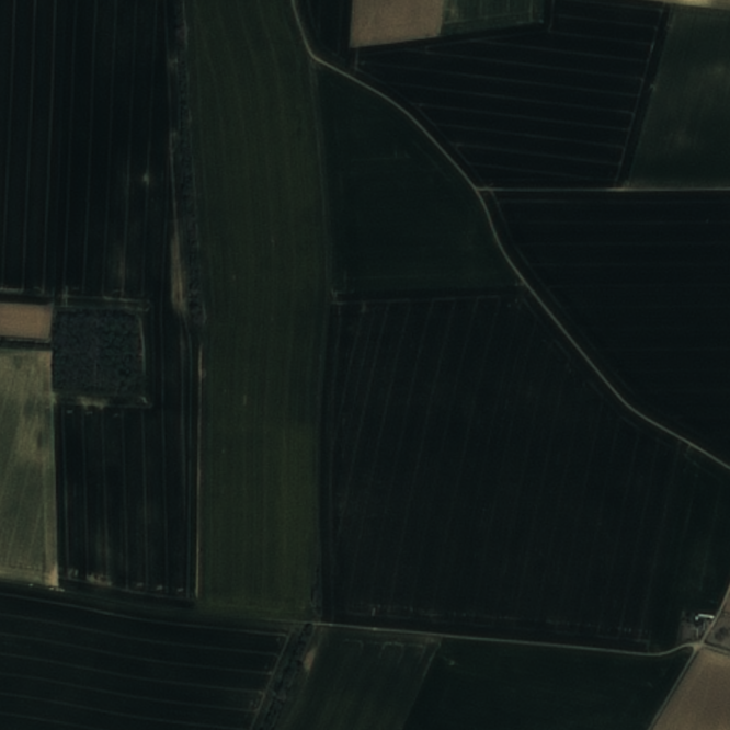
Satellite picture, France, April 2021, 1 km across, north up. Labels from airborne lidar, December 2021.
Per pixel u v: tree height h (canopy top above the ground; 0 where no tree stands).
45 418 0
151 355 0
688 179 0
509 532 0
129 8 0
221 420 0
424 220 0
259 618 0
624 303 0
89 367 18
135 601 0
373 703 0
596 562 0
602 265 0
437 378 0
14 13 0
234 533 0
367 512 0
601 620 0
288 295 0
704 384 0
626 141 0
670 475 0
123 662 0
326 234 0
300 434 0
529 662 0
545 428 0
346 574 0
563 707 0
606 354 0
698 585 0
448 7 0
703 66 0
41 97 0
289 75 0
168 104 0
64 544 0
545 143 0
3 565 0
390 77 0
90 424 0
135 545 0
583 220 0
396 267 0
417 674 0
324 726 0
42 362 0
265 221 0
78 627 0
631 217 0
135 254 0
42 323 0
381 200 0
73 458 0
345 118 0
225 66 0
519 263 0
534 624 0
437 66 0
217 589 0
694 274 0
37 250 0
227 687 0
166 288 0
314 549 0
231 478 0
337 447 0
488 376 0
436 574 0
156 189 0
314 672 0
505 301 0
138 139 0
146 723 0
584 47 0
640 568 0
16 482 0
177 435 0
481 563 0
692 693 0
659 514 0
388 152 0
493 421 0
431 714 0
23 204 0
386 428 0
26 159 0
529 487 0
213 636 0
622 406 0
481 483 0
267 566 0
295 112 0
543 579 0
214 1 0
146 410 0
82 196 0
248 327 0
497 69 0
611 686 0
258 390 0
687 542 0
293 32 0
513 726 0
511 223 0
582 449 0
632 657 0
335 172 0
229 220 0
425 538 0
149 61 0
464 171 0
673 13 0
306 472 0
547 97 0
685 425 0
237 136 0
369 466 0
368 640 0
